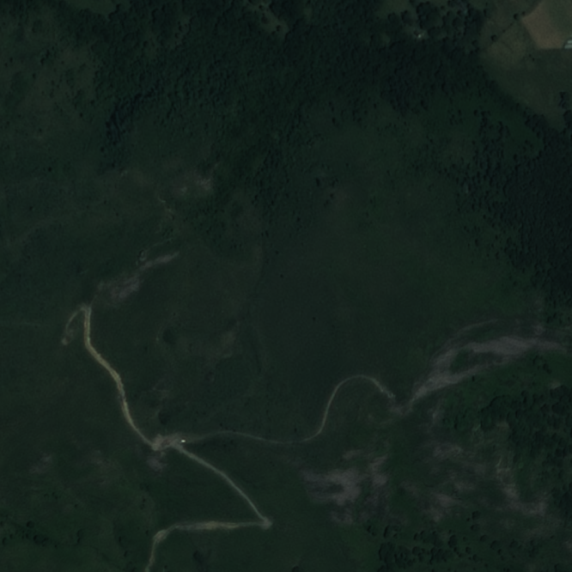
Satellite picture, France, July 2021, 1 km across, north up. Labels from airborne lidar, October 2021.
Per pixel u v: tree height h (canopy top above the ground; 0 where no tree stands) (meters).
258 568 0
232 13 22
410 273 0
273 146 13
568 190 18
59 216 0
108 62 8
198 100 10
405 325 0
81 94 8
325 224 0
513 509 0
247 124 19
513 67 0
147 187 0
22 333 0
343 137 0
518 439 16
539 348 0
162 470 0
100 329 0
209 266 0
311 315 0
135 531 0
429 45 12
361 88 8
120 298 0
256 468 0
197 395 0
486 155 8
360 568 0
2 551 0
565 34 0
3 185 0
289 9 27
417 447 0
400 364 0
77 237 0
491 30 0
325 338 0
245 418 0
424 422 0
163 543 0
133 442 0
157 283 0
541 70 0
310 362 0
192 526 0
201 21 7
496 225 13
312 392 0
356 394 0
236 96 10
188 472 0
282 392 0
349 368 0
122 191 0
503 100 8
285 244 0
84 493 0
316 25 7
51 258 0
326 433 0
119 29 16
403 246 0
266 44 9
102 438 0
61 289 0
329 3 16
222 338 0
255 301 0
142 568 0
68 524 0
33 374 0
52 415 0
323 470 0
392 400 0
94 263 0
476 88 7
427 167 7
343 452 0
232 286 0
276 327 0
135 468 0
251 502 0
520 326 0
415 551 13
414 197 0
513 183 17
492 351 0
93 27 8
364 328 0
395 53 20
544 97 0
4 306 0
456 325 0
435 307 0
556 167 19
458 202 6
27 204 0
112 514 0
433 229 0
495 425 15
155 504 0
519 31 0
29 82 0
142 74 6
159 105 10
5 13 7
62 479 0
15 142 0
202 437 0
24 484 0
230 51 14
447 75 22
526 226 15
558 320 10
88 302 0
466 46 8
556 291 15
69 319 0
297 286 0
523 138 0
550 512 0
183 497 0
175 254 0
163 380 0
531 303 0
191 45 10
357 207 0
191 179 0
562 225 18
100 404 0
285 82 9
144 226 0
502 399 22
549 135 20
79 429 0
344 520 0
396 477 0
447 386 0
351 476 0
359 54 18
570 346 0
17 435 0
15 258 0
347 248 0
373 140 0
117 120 14
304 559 0
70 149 0
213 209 12
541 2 0
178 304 0
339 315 0
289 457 0
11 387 0
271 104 10
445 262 0
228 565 0
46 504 0
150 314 0
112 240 0
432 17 26
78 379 0
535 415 17
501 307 0
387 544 10
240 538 0
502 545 15
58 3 10
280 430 0
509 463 13
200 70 11
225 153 7
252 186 10
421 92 9
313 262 0
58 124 0
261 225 0
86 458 0
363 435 0
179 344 0
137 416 0
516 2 0
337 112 10
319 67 11
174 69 9
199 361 0
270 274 0
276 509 0
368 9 18
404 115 11
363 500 0
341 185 10
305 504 0
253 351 0
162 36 9
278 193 9
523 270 11
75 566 0
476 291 0
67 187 0
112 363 0
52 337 0
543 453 16
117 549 0
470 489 0
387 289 0
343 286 0
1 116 0
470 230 15
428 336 0
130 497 0
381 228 0
